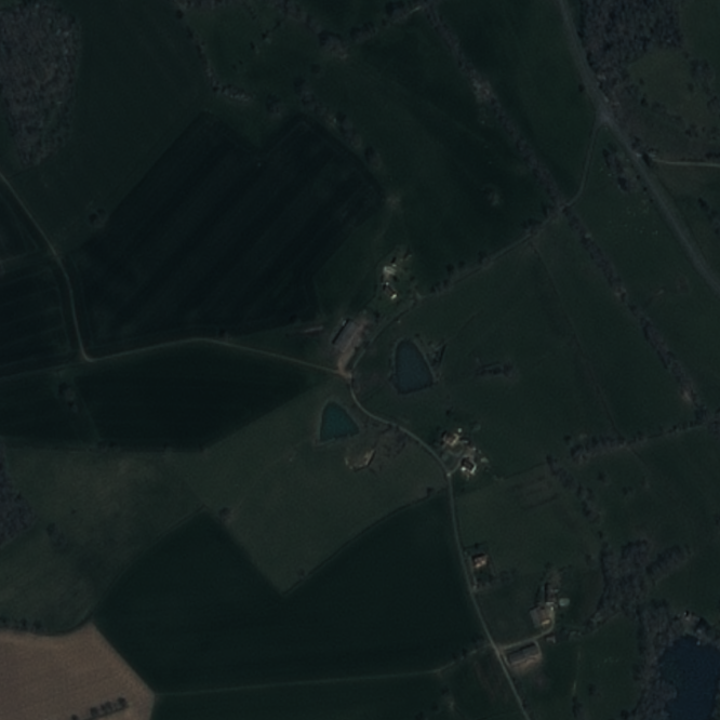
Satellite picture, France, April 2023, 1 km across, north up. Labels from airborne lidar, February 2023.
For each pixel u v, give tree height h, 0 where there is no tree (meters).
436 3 14
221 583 0
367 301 0
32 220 0
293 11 21
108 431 0
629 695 0
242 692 0
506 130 9
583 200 0
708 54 0
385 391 0
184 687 0
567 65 0
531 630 0
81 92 0
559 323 0
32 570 0
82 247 0
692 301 0
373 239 0
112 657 0
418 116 0
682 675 0
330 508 0
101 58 0
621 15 12
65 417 0
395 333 0
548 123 0
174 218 0
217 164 0
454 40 15
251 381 0
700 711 0
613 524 0
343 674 0
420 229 0
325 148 0
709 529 0
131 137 0
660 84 0
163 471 0
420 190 0
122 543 0
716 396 0
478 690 0
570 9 0
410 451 0
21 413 0
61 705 0
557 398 0
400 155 0
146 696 0
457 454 0
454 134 0
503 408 0
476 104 0
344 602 0
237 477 0
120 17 0
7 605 0
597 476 0
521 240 0
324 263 0
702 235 0
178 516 0
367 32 14
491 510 0
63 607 0
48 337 0
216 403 0
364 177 0
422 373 0
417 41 0
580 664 0
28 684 0
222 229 0
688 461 0
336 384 0
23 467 0
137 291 0
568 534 0
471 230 0
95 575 0
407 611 0
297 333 0
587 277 0
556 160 0
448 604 0
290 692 0
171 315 0
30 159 13
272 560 0
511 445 0
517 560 0
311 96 20
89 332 0
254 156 0
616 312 0
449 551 0
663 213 0
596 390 0
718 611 0
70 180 0
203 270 0
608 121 0
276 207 0
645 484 7
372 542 0
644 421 0
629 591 22
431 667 0
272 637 0
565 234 0
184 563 0
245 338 0
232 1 18
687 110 0
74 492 0
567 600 0
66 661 0
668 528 0
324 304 0
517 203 0
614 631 0
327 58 0
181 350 0
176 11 0
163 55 0
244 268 0
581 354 0
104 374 0
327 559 0
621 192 0
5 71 22
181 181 0
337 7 0
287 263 0
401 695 0
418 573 0
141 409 0
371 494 0
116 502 0
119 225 0
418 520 0
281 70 0
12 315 0
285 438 0
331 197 0
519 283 0
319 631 0
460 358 0
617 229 0
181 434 0
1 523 18
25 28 18
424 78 0
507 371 10
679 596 0
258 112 0
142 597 0
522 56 0
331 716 0
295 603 0
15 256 0
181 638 0
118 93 0
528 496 0
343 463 0
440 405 0
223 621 0
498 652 0
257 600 0
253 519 0
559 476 18
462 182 0
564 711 0
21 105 16
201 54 21
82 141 0
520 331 0
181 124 0
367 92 0
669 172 0
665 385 0
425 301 0
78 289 0
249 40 0
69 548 0
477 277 0
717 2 0
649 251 0
